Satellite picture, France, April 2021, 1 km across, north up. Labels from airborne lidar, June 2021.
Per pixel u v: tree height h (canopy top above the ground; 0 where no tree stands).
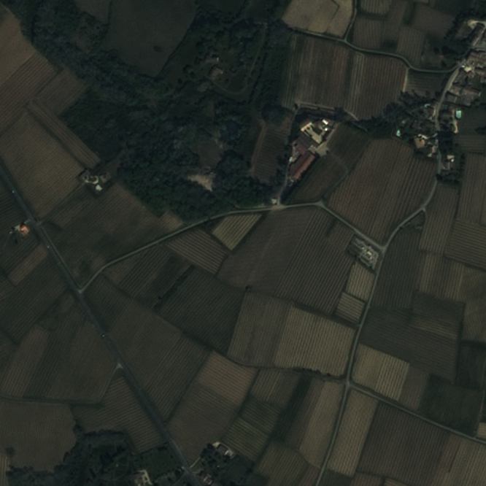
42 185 0
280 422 0
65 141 0
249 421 0
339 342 0
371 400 0
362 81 0
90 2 0
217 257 0
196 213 18
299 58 0
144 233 0
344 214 0
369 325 0
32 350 0
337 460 0
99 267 0
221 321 0
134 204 0
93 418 0
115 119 16
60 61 17
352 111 0
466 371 0
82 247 0
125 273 0
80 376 0
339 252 0
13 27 0
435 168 0
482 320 0
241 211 0
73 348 0
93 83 19
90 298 0
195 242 0
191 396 0
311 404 0
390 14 0
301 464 0
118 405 0
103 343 0
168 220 0
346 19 0
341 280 0
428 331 0
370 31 0
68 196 0
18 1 17
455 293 0
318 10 0
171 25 0
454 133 9
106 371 0
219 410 0
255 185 17
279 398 0
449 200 0
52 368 0
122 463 0
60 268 0
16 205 0
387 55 0
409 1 0
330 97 0
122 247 0
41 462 0
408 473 0
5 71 0
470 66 0
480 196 0
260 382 0
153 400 0
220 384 0
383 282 0
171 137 13
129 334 0
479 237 0
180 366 0
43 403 0
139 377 0
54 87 0
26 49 0
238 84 0
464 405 0
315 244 0
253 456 0
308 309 0
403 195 0
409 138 9
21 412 0
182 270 0
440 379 0
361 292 0
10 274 0
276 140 0
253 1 23
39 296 0
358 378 0
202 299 0
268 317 0
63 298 0
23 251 0
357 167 0
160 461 0
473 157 0
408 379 0
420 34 0
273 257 0
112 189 0
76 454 7
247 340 0
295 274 0
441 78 0
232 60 0
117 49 0
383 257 0
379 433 0
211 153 0
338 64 0
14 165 0
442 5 0
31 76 0
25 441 0
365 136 0
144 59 0
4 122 0
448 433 0
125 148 13
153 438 0
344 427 0
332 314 0
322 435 0
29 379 0
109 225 0
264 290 0
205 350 0
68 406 0
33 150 0
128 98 17
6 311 0
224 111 16
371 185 0
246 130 14
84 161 0
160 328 0
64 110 0
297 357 0
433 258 0
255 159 0
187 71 10
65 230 0
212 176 0
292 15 0
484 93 0
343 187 0
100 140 9
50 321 0
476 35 0
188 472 0
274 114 22
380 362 0
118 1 0
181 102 5
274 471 0
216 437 0
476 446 0
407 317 0
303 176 13
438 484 0
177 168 24
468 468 0
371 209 0
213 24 29
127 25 0
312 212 0
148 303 0
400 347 0
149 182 18
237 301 0
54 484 22
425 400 0
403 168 0
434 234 0
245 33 28
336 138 0
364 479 0
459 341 0
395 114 17
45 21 19
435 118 0
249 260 0
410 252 0
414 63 0
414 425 0
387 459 0
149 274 0
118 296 0
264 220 0
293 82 0
